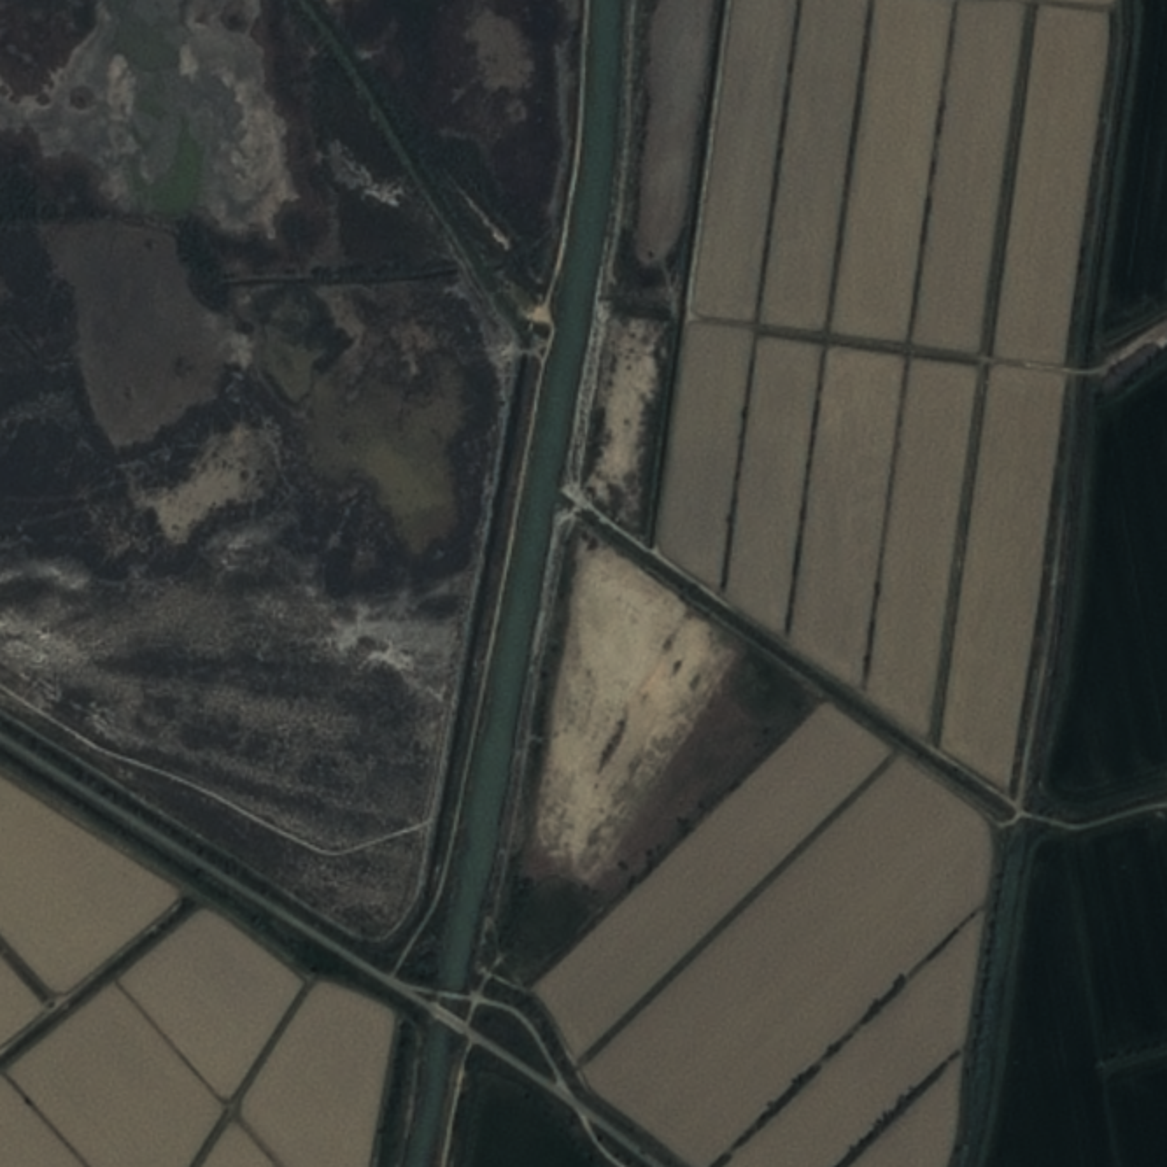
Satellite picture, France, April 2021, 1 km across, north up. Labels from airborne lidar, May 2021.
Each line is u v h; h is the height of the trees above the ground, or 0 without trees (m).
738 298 0
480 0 0
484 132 0
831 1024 0
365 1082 0
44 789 0
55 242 0
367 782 0
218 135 0
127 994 0
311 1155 0
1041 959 0
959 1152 7
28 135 0
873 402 0
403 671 0
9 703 0
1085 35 0
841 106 0
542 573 0
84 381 0
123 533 0
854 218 0
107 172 0
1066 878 0
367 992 0
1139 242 0
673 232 0
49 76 0
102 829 0
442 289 0
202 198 0
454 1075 0
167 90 0
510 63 0
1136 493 0
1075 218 0
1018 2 0
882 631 0
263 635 0
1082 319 0
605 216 0
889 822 0
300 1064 0
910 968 0
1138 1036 0
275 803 0
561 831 0
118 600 0
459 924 0
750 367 0
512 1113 0
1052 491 0
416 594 0
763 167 0
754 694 0
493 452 0
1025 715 0
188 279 0
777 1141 0
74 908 0
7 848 0
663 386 0
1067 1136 0
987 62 0
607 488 0
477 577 0
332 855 0
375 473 0
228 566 0
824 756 0
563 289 0
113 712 0
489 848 0
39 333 0
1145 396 0
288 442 0
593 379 0
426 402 0
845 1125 0
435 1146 0
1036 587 0
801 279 0
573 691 0
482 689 0
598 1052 0
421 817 0
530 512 0
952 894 0
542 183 0
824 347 0
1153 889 0
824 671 0
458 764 0
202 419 0
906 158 0
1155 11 0
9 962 0
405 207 0
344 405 0
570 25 0
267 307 0
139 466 0
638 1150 0
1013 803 0
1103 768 0
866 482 0
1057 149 0
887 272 0
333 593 0
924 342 0
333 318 0
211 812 0
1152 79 0
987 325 0
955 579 0
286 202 0
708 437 0
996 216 0
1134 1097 0
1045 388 0
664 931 0
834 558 0
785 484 0
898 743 0
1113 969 0
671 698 0
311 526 0
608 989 0
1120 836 0
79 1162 0
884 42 0
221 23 0
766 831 0
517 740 0
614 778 0
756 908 0
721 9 0
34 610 0
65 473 0
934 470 0
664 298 0
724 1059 0
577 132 0
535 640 0
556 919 0
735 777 0
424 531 0
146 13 0
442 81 0
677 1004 0
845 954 0
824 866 0
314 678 0
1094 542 0
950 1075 0
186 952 0
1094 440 0
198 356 0
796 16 0
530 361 0
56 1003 0
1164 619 0
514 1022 0
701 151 0
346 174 0
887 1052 0
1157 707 0
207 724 0
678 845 0
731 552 0
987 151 0
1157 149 0
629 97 0
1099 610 0
